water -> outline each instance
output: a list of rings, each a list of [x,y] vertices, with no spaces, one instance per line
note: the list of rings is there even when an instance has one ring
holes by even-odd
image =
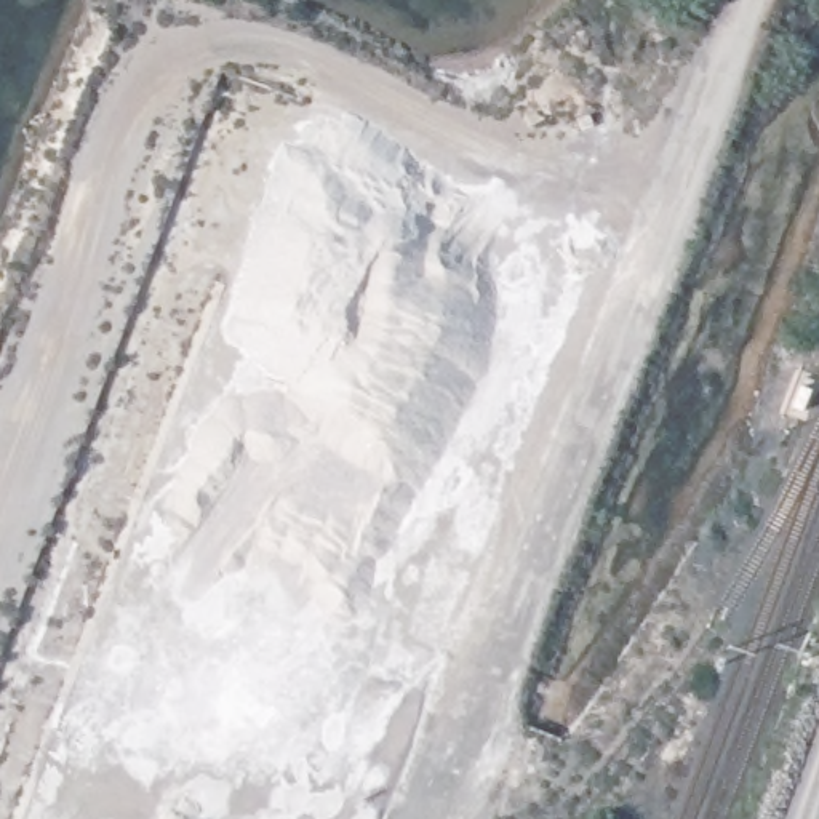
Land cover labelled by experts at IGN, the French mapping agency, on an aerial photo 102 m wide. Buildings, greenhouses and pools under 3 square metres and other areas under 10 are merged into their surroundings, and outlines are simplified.
[[[266,10],[272,22],[291,32],[307,32],[310,38],[326,42],[346,54],[355,54],[381,70],[384,70],[387,64],[403,64],[422,80],[435,74],[432,64],[438,58],[496,48],[525,22],[525,16],[537,13],[537,0],[253,0]]]
[[[45,106],[54,80],[67,74],[74,67],[74,51],[70,38],[74,26],[83,16],[83,0],[0,0],[0,237],[6,237],[10,230],[3,224],[3,214],[22,166],[26,160],[19,122],[32,118]]]

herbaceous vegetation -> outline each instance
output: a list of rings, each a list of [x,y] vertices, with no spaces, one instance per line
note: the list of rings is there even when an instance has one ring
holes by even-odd
[[[384,70],[403,77],[410,86],[461,112],[477,112],[483,118],[509,118],[515,112],[515,106],[531,90],[544,83],[541,74],[528,77],[534,64],[531,51],[512,54],[515,90],[496,86],[483,102],[464,99],[457,86],[441,83],[435,74],[422,80],[403,64],[387,64]]]
[[[688,755],[694,733],[701,729],[707,713],[704,701],[694,694],[685,697],[675,739],[665,742],[659,752],[662,761]]]
[[[697,330],[701,310],[726,288],[726,275],[713,275],[691,298],[685,333],[669,358],[669,365],[675,368],[681,368],[685,355],[701,358],[701,371],[720,371],[726,365],[723,352],[717,352],[707,333]]]
[[[681,669],[691,672],[694,665],[713,665],[717,672],[729,656],[758,656],[749,646],[733,643],[726,617],[745,592],[745,585],[752,582],[752,576],[758,573],[758,566],[774,560],[777,531],[790,515],[790,505],[803,486],[803,477],[819,445],[819,352],[790,349],[790,339],[781,330],[781,317],[787,307],[793,272],[819,272],[819,176],[813,179],[803,211],[797,218],[771,298],[761,310],[758,333],[742,355],[739,387],[733,394],[729,416],[701,454],[694,477],[675,496],[672,525],[659,550],[649,560],[630,560],[624,569],[614,569],[611,563],[617,544],[640,537],[643,528],[624,525],[621,518],[611,521],[611,534],[585,582],[585,595],[576,601],[569,646],[560,659],[560,672],[553,681],[541,685],[541,717],[550,720],[544,733],[563,736],[569,729],[573,736],[582,736],[579,758],[589,765],[598,755],[617,755],[627,745],[630,733],[643,723],[643,710],[633,710],[633,717],[624,720],[621,710],[627,701],[649,701],[662,688],[662,681],[678,675]]]
[[[790,723],[803,697],[809,697],[816,688],[813,672],[793,659],[784,669],[781,707],[768,723],[758,765],[749,771],[745,797],[733,806],[733,819],[755,819],[771,771],[777,771],[784,761]]]
[[[537,118],[537,125],[528,128],[528,141],[541,141],[547,138],[550,125],[576,118],[573,102],[553,99],[550,112]]]
[[[633,22],[627,26],[624,42],[617,48],[617,61],[608,64],[598,51],[585,48],[585,29],[579,26],[569,45],[557,48],[557,58],[563,74],[573,77],[579,93],[585,96],[589,115],[592,122],[605,118],[601,90],[614,86],[621,93],[624,109],[630,109],[643,125],[649,125],[659,115],[659,106],[669,96],[669,90],[678,83],[681,70],[688,67],[688,61],[704,45],[704,38],[697,29],[659,22],[656,13],[633,13]]]
[[[797,96],[758,138],[758,144],[771,154],[777,154],[777,147],[800,147],[813,154],[806,122],[816,122],[819,128],[819,80],[803,96]]]

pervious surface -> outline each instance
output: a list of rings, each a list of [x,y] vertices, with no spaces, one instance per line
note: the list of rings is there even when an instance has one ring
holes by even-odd
[[[528,77],[541,74],[544,83],[531,90],[515,106],[515,112],[537,118],[550,112],[553,99],[573,102],[576,118],[589,115],[585,96],[579,93],[573,77],[563,74],[557,58],[557,48],[569,45],[579,26],[576,19],[566,22],[560,13],[569,0],[537,0],[537,13],[525,16],[525,22],[496,48],[438,58],[432,64],[435,74],[441,83],[457,86],[464,99],[483,102],[496,86],[515,90],[512,54],[531,51],[534,64]]]
[[[381,70],[355,54],[346,54],[326,42],[310,38],[307,32],[291,32],[272,22],[227,19],[218,6],[198,0],[154,0],[150,19],[144,22],[144,35],[122,51],[118,67],[99,93],[99,106],[90,118],[83,147],[74,160],[74,176],[54,240],[32,275],[38,282],[38,294],[32,301],[22,301],[29,326],[19,342],[16,368],[0,384],[0,601],[6,589],[26,589],[26,576],[32,573],[32,563],[45,541],[45,525],[54,515],[54,496],[61,493],[67,477],[67,461],[80,445],[80,432],[86,429],[86,416],[96,406],[102,374],[118,346],[125,310],[138,294],[138,278],[144,272],[144,262],[154,250],[160,227],[160,202],[154,179],[179,179],[179,150],[186,138],[186,102],[192,80],[198,80],[211,67],[221,74],[224,64],[275,61],[278,70],[262,70],[259,77],[282,83],[307,77],[310,86],[310,106],[278,106],[275,96],[237,90],[230,99],[230,112],[221,112],[214,118],[189,195],[170,234],[166,256],[154,275],[147,307],[138,317],[128,346],[128,365],[118,371],[109,410],[99,422],[99,438],[93,445],[99,464],[86,467],[77,496],[67,505],[67,525],[54,544],[48,579],[35,595],[32,621],[22,627],[16,640],[16,656],[6,665],[0,691],[0,819],[390,819],[390,813],[410,793],[410,777],[416,771],[419,755],[425,761],[441,765],[457,749],[461,723],[467,713],[464,678],[473,672],[464,640],[470,633],[470,621],[483,617],[483,582],[493,566],[493,547],[486,544],[486,534],[499,518],[505,473],[515,467],[515,451],[521,448],[525,429],[531,425],[534,403],[547,384],[550,362],[566,339],[566,323],[576,314],[582,294],[582,278],[576,272],[569,246],[592,246],[598,240],[598,214],[589,211],[585,218],[534,218],[534,208],[518,205],[515,192],[505,189],[499,179],[464,182],[461,176],[448,173],[432,160],[406,160],[403,166],[384,163],[368,150],[368,144],[362,144],[355,118],[346,112],[346,106],[358,96],[358,86],[365,86]]]
[[[22,218],[10,230],[6,237],[0,237],[0,301],[10,285],[16,250],[22,246],[32,227],[32,218],[48,214],[48,205],[29,198]]]
[[[99,58],[106,54],[112,35],[106,22],[74,51],[74,67],[67,74],[67,90],[61,93],[61,109],[54,109],[54,118],[70,122],[86,90],[86,80],[99,67]]]
[[[54,176],[54,163],[48,163],[45,157],[48,150],[64,147],[64,131],[54,131],[51,138],[38,141],[35,154],[26,160],[22,166]]]
[[[489,819],[733,819],[733,806],[745,797],[749,771],[758,765],[768,723],[781,707],[784,669],[793,659],[813,672],[816,688],[809,697],[803,697],[790,723],[784,761],[777,771],[771,771],[755,819],[819,819],[819,445],[803,477],[803,486],[790,505],[790,515],[777,531],[774,560],[758,566],[758,573],[752,576],[752,582],[745,585],[745,592],[726,617],[733,643],[749,646],[758,656],[729,656],[717,672],[720,678],[713,681],[710,697],[704,701],[707,713],[701,729],[694,733],[688,755],[662,761],[659,752],[633,752],[627,745],[617,755],[598,755],[589,765],[579,758],[582,736],[573,736],[569,729],[563,736],[544,733],[525,726],[525,736],[537,739],[547,768],[541,774],[525,774],[518,787],[512,787],[496,777],[509,752],[483,742],[483,752],[473,761],[473,777],[493,781],[483,809]]]

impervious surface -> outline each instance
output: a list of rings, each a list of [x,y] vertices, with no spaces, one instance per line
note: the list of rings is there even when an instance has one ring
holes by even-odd
[[[390,813],[390,819],[489,819],[483,809],[493,781],[473,777],[473,761],[483,752],[483,742],[509,752],[496,777],[512,787],[518,787],[525,774],[541,774],[547,768],[537,739],[525,736],[525,726],[521,685],[531,669],[531,656],[550,614],[553,592],[560,589],[560,576],[579,544],[585,509],[608,464],[630,394],[637,390],[643,362],[653,349],[659,317],[685,269],[685,243],[697,230],[701,198],[717,170],[726,131],[736,122],[739,99],[745,93],[745,70],[758,48],[761,22],[768,19],[774,0],[733,0],[704,38],[704,45],[688,61],[688,67],[681,70],[678,83],[669,90],[669,96],[659,106],[659,115],[649,125],[643,125],[630,109],[624,109],[621,93],[614,86],[601,90],[605,118],[592,122],[589,115],[576,118],[550,125],[547,138],[541,141],[528,141],[528,128],[537,125],[537,118],[515,112],[509,118],[483,118],[477,112],[461,112],[410,86],[403,77],[384,70],[381,70],[365,86],[358,86],[358,96],[346,106],[346,112],[355,118],[362,144],[368,144],[368,150],[384,163],[403,166],[406,160],[432,160],[448,173],[461,176],[464,182],[499,179],[505,189],[515,192],[518,205],[534,208],[534,218],[585,218],[589,211],[598,214],[598,240],[592,246],[569,246],[576,272],[582,278],[582,294],[576,314],[566,323],[566,339],[550,362],[547,384],[534,403],[531,425],[525,429],[521,448],[515,451],[515,467],[505,473],[499,518],[486,534],[486,544],[493,547],[493,566],[483,582],[483,617],[470,621],[470,633],[464,640],[473,672],[464,678],[467,713],[461,723],[457,749],[441,765],[425,761],[419,755],[416,771],[410,777],[410,793]]]

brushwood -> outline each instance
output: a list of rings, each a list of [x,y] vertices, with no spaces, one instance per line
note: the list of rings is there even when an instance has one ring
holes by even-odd
[[[662,681],[662,688],[649,701],[627,701],[621,710],[624,720],[633,717],[633,710],[643,710],[643,723],[630,733],[627,745],[633,752],[659,752],[665,742],[675,739],[685,697],[694,694],[704,701],[710,697],[713,681],[720,678],[717,672],[713,665],[694,665],[691,672],[681,669],[678,675]]]
[[[48,579],[54,544],[67,525],[67,505],[77,496],[86,467],[99,464],[93,445],[99,438],[99,422],[109,410],[118,371],[128,365],[128,346],[138,317],[147,307],[154,275],[166,256],[170,234],[189,195],[214,118],[221,112],[230,112],[230,99],[237,90],[275,96],[278,106],[310,106],[310,86],[307,77],[282,83],[259,77],[262,70],[278,70],[275,61],[224,64],[221,74],[211,67],[198,80],[192,80],[186,102],[186,138],[179,150],[179,179],[154,179],[160,202],[160,227],[154,250],[144,262],[144,272],[138,278],[138,294],[125,310],[118,346],[102,374],[96,406],[86,416],[86,429],[80,432],[80,445],[67,461],[67,477],[61,493],[54,496],[54,515],[45,525],[45,541],[32,563],[32,573],[26,576],[26,589],[6,589],[0,601],[0,691],[6,665],[16,656],[16,640],[22,627],[32,621],[35,595]]]
[[[227,19],[272,22],[266,10],[253,0],[198,0],[218,6]]]
[[[790,339],[790,349],[819,352],[819,272],[793,272],[787,307],[781,317],[781,330]]]
[[[585,595],[585,582],[611,534],[611,521],[621,518],[624,525],[643,528],[640,537],[617,544],[611,563],[614,569],[624,569],[630,560],[649,560],[659,550],[672,525],[675,496],[694,477],[701,454],[729,416],[733,394],[739,387],[742,355],[758,333],[761,310],[771,298],[797,218],[803,211],[813,179],[819,176],[819,128],[816,122],[806,122],[813,154],[800,147],[777,147],[777,154],[771,154],[758,144],[758,138],[797,96],[803,96],[819,80],[819,0],[774,0],[768,19],[761,22],[758,48],[745,70],[745,93],[739,99],[736,122],[726,131],[717,170],[701,198],[697,230],[685,243],[685,269],[659,317],[653,349],[643,362],[637,390],[630,394],[608,464],[585,509],[579,544],[560,576],[560,589],[553,592],[550,614],[531,656],[531,669],[521,685],[525,726],[544,733],[550,720],[541,717],[541,685],[553,681],[560,672],[560,659],[569,646],[576,601]],[[685,333],[691,298],[713,275],[726,275],[726,288],[701,310],[697,330],[707,333],[717,352],[723,352],[726,365],[720,371],[701,371],[701,358],[685,355],[681,368],[675,368],[669,365],[669,358]]]
[[[704,38],[733,0],[569,0],[560,13],[566,22],[576,19],[579,26],[585,29],[585,48],[598,51],[608,64],[617,61],[617,48],[624,42],[627,26],[633,22],[633,13],[656,13],[659,22],[697,29]]]
[[[70,38],[74,51],[106,22],[112,35],[106,54],[99,58],[99,67],[86,80],[86,90],[70,122],[54,118],[54,109],[61,109],[61,93],[67,90],[67,74],[54,80],[45,106],[32,118],[19,122],[26,160],[35,154],[38,141],[51,138],[54,131],[64,131],[64,147],[48,150],[45,157],[48,163],[54,163],[54,176],[22,166],[3,214],[3,224],[10,230],[22,218],[29,198],[48,205],[48,214],[32,218],[32,227],[22,246],[16,250],[10,285],[0,301],[0,384],[16,368],[19,342],[29,326],[22,301],[32,301],[38,294],[38,282],[32,275],[54,240],[74,176],[74,160],[83,147],[90,118],[99,106],[99,93],[118,67],[122,51],[144,35],[144,22],[150,19],[154,0],[83,0],[83,16],[74,26]]]

